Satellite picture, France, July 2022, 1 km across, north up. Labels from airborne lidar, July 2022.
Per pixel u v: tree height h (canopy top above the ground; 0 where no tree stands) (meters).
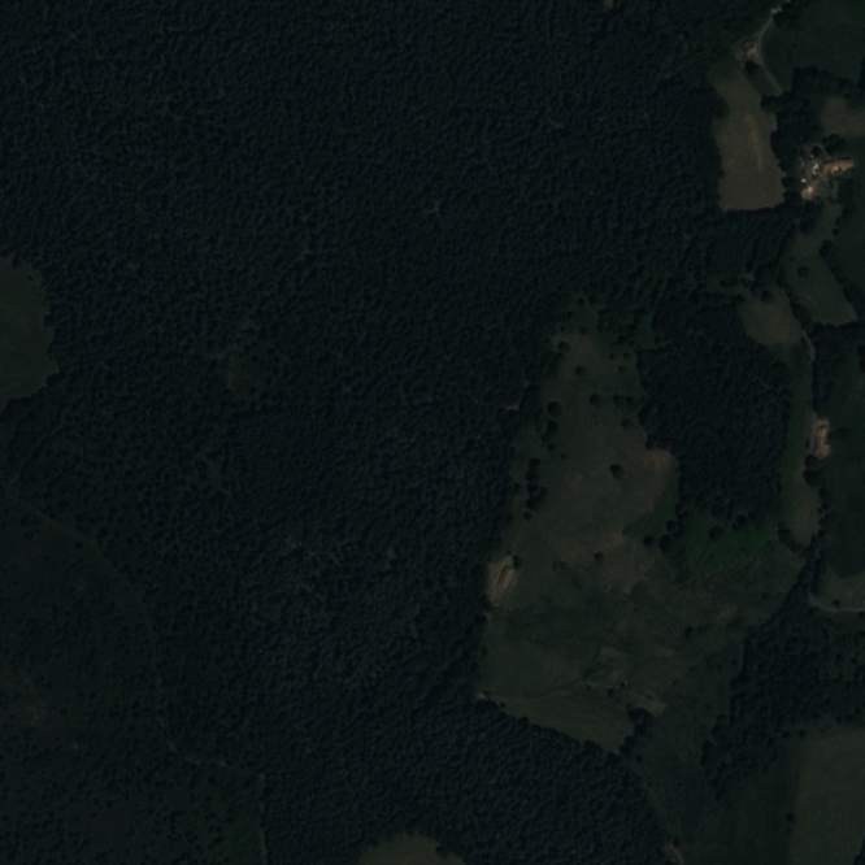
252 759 11
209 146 13
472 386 16
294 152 20
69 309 14
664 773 0
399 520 17
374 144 20
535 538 0
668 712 0
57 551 0
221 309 24
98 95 20
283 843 19
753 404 28
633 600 0
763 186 0
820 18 0
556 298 16
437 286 23
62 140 23
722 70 0
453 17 20
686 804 0
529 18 19
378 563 20
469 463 23
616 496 0
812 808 0
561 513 0
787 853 0
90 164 20
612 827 26
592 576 0
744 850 0
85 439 11
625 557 0
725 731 19
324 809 21
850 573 0
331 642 21
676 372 19
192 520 16
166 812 7
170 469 10
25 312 0
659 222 21
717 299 16
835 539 0
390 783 16
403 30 18
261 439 24
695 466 21
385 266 22
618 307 17
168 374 14
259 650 21
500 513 18
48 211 19
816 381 12
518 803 26
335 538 18
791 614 12
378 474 14
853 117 0
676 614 0
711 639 0
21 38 20
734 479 29
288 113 17
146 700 6
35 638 8
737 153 0
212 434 18
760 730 17
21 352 0
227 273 9
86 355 15
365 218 18
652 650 0
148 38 19
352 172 20
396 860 0
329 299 18
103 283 21
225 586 21
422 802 20
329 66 17
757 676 22
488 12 24
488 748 21
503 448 12
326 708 18
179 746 12
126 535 10
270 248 14
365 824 22
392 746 23
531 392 14
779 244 16
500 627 0
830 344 24
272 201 22
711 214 22
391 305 17
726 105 18
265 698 22
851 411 0
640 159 25
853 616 0
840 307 0
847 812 0
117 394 13
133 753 6
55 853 6
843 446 0
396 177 25
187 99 15
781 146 23
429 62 20
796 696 22
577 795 22
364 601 22
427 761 24
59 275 20
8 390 0
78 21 22
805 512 0
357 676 24
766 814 0
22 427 10
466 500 23
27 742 6
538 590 0
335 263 15
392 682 24
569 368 0
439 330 17
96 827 0
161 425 12
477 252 22
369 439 23
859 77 0
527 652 0
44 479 10
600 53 26
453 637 11
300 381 19
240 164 24
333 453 23
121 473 7
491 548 14
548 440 11
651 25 23
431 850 0
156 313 22
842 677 10
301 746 16
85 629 7
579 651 0
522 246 19
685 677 0
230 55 26
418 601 26
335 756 17
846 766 0
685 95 24
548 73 20
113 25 21
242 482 10
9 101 15
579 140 23
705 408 26
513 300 14
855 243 0
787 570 0
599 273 18
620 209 14
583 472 0
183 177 20
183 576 14
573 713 0
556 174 17
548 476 0
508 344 16
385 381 20
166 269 16
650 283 13
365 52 23
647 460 0
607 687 0
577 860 25
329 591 17
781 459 16
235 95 22
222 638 20
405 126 20
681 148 30
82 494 9
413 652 17
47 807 8
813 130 28
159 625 8
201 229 22
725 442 24
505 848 24
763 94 0
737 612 0
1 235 19
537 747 23
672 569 0
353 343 17
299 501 20
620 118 30
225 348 17
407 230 18
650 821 27
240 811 5
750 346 20
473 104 21
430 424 23
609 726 0
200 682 15
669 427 24
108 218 19
